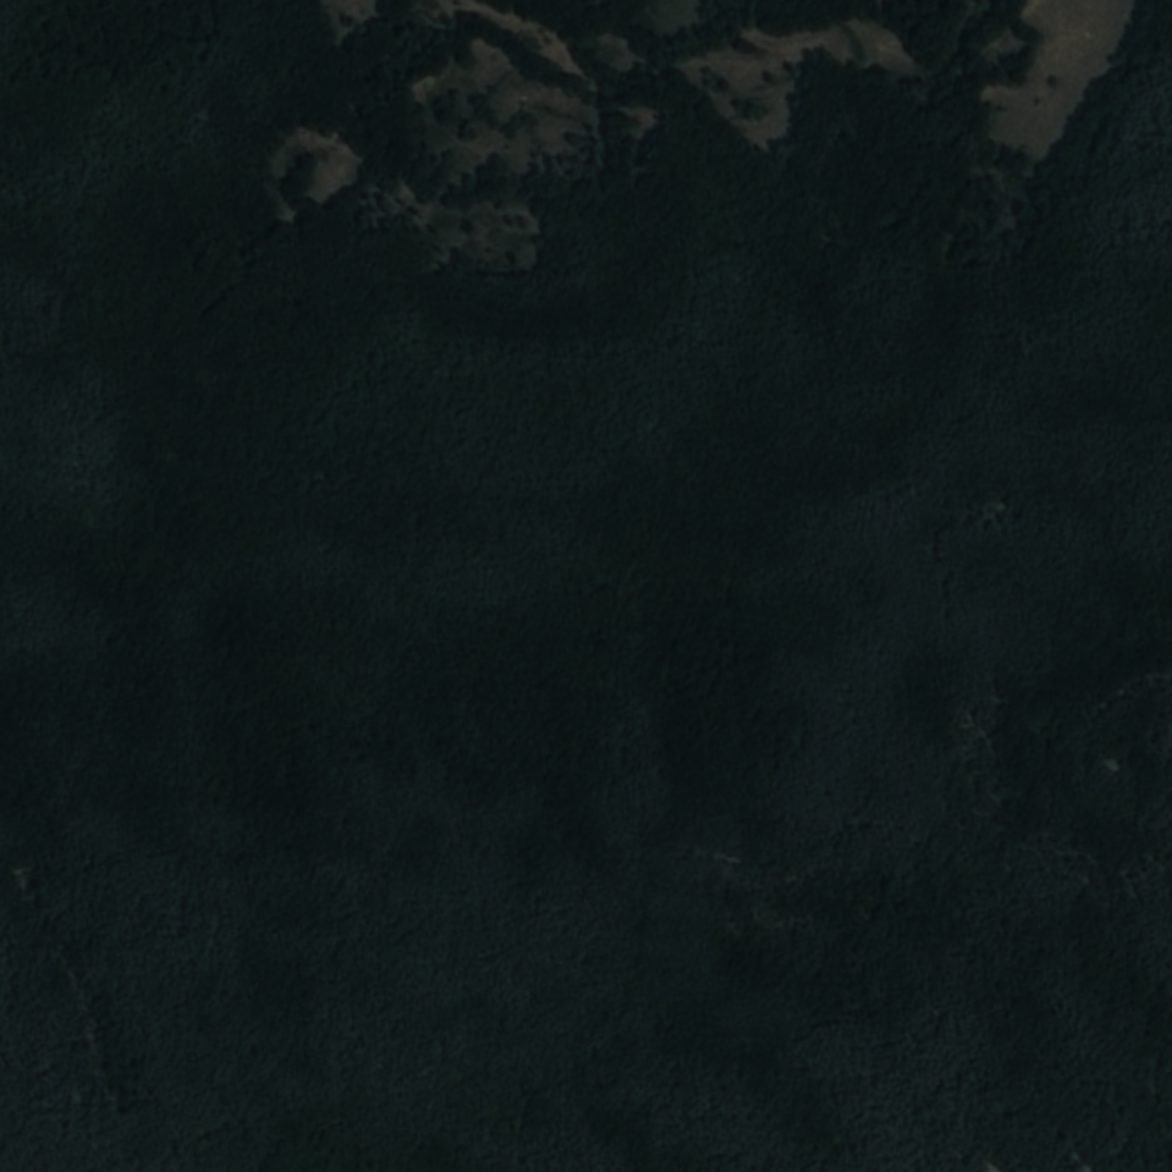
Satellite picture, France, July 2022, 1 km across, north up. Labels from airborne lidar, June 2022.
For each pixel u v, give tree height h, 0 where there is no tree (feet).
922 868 41
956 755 26
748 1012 43
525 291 61
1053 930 55
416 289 75
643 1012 40
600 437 42
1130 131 54
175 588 52
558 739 65
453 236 0
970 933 53
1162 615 43
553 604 58
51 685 59
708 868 41
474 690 58
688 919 43
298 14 61
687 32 37
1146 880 43
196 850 51
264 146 71
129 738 42
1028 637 47
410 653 53
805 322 46
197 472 61
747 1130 65
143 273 64
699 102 41
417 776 64
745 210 44
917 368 60
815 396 64
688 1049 41
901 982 44
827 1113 42
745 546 55
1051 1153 54
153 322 52
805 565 51
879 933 38
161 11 20
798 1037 30
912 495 51
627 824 57
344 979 62
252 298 71
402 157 74
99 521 42
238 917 59
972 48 64
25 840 53
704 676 58
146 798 54
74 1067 49
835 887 23
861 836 50
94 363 51
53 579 54
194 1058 65
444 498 46
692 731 61
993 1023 57
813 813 60
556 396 49
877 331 65
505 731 53
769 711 57
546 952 61
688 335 41
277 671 54
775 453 59
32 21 63
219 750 60
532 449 49
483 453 41
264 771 52
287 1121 49
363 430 47
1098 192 60
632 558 54
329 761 46
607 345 57
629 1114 50
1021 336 75
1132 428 55
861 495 65
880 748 45
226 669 55
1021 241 47
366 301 57
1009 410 59
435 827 55
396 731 49
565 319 75
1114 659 52
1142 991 39
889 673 45
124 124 23
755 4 60
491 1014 51
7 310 58
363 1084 67
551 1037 56
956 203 43
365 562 49
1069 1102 54
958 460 47
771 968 34
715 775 46
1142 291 48
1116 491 54
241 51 56
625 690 53
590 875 61
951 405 52
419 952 52
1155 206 66
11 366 45
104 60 49
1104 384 60
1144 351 61
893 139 73
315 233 68
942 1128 43
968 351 68
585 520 47
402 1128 54
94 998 33
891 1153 62
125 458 49
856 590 47
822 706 48
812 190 57
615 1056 57
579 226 49
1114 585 55
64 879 52
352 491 40
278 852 54
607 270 62
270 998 64
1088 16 0
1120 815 44
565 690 65
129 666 51
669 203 67
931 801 57
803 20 80
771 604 55
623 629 49
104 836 58
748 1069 60
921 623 50
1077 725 38
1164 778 45
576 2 58
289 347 53
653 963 45
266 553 38
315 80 84
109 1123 59
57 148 51
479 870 57
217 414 68
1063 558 47
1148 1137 45
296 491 45
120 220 57
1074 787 28
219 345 70
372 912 60
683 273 45
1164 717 42
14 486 37
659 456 52
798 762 56
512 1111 46
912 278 57
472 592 60
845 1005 41
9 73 38
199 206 66
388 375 48
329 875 61
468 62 58
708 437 48
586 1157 71
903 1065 61
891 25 44
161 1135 49
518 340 61
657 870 46
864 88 83
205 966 67
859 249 49
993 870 35
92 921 47
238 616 58
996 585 41
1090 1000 47
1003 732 47
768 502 51
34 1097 39
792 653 59
